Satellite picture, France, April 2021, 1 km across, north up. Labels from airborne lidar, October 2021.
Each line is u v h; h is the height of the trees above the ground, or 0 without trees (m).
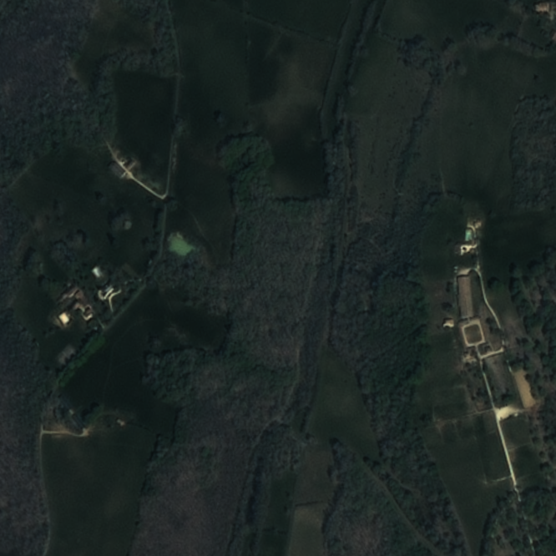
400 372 16
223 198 0
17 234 13
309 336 23
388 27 0
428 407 0
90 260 0
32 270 22
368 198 0
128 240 0
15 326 14
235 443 17
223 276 22
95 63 0
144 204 0
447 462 0
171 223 0
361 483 24
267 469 31
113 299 0
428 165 0
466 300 0
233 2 0
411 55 17
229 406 14
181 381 15
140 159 0
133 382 0
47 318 0
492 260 0
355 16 0
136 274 0
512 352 14
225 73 0
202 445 22
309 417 15
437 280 0
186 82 0
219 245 0
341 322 19
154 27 11
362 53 18
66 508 0
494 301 0
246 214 16
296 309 28
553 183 6
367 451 0
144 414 0
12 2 21
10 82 23
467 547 15
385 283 24
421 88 0
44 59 15
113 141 18
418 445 9
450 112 0
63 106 21
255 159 9
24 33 17
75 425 20
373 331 18
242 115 0
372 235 6
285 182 0
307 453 0
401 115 0
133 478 0
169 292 0
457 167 0
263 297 26
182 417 17
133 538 7
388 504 21
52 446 0
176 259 16
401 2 0
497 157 0
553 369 10
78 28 19
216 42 0
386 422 14
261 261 19
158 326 0
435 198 12
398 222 6
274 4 0
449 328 8
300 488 0
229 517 13
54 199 0
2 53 16
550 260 20
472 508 0
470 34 15
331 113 0
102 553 0
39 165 0
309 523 0
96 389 0
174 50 20
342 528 16
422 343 24
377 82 0
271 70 0
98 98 16
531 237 0
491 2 0
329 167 17
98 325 6
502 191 0
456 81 0
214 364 26
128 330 0
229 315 9
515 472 0
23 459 12
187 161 0
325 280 21
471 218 0
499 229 0
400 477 11
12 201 13
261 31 0
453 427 0
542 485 0
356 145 9
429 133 0
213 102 0
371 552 14
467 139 0
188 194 0
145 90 0
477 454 0
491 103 0
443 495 16
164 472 16
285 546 0
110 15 0
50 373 17
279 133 0
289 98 0
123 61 16
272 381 23
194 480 17
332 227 20
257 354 25
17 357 17
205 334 0
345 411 0
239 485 13
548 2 6
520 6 16
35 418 8
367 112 0
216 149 0
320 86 0
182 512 10
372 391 12
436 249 0
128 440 0
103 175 0
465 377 11
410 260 10
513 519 21
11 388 12
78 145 15
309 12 0
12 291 15
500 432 0
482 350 11
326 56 0
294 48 0
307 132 0
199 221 0
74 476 0
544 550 21
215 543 11
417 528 15
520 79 0
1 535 13
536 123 5
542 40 0
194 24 0
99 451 0
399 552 17
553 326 23
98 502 0
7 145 18
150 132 0
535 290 12
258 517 32
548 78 0
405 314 18
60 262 13
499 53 0
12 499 18
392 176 0
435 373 0
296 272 25
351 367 18
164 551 11
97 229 0
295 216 23
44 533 10
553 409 10
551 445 17
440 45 0
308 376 18
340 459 21
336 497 0
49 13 15
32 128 16
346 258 12
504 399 10
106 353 0
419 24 0
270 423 12
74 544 0
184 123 16
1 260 18
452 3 0
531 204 14
